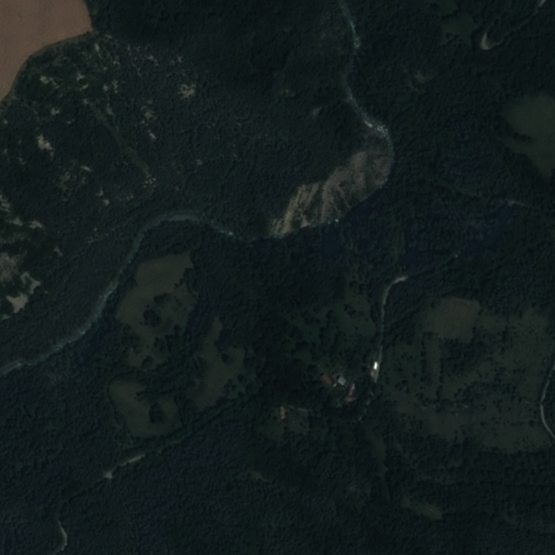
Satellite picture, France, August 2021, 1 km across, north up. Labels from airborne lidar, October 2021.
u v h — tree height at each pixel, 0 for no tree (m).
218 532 15
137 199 11
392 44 25
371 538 26
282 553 16
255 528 14
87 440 14
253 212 14
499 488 19
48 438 14
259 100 18
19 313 11
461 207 6
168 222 11
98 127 15
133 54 10
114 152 13
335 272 19
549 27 15
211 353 0
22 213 12
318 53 11
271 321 28
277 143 14
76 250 11
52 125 8
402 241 7
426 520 19
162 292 0
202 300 13
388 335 15
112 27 14
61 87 6
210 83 9
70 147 15
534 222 20
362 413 9
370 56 17
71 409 12
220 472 21
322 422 18
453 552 21
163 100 13
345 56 15
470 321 0
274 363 19
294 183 12
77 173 7
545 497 13
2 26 0
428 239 13
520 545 17
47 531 16
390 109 8
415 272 15
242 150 13
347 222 10
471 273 6
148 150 15
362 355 12
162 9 31
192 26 16
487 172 19
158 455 13
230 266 17
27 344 11
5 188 12
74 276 11
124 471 8
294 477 26
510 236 15
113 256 13
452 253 6
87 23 0
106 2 11
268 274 26
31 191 12
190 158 10
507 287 9
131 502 12
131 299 0
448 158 7
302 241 11
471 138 18
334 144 16
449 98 12
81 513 16
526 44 14
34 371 15
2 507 14
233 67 25
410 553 22
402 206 14
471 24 0
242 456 15
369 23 22
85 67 9
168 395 15
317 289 28
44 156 11
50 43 0
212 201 15
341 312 0
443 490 12
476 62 14
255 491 11
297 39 20
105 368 7
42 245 11
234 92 14
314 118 7
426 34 17
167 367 14
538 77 23
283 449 7
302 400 15
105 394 5
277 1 26
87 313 12
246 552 16
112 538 15
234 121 8
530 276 11
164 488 14
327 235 12
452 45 9
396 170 19
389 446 8
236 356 0
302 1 20
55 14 0
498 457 17
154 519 13
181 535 12
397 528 21
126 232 9
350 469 15
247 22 25
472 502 10
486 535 17
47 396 12
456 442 8
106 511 15
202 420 12
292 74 19
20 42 0
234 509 19
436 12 18
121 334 9
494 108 13
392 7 15
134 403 0
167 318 0
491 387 9
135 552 11
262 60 30
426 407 11
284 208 8
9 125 9
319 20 10
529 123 0
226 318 18
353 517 21
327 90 20
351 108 30
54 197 10
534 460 16
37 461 16
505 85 11
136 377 9
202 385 0
